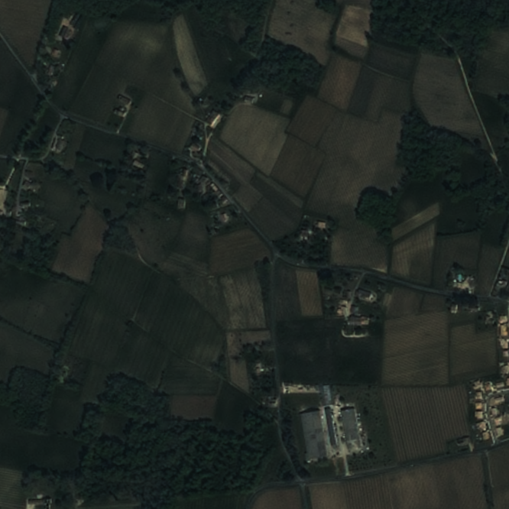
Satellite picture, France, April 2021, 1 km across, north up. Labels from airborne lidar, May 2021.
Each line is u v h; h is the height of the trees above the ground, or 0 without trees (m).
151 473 13
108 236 16
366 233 0
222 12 17
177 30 0
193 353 0
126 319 0
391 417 0
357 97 0
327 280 24
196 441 17
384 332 0
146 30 0
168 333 0
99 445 19
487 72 0
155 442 21
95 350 0
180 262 0
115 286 0
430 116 0
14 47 0
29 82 0
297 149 0
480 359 0
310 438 0
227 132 0
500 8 19
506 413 0
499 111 0
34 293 0
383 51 0
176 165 7
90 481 21
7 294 0
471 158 0
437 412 0
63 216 0
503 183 7
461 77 0
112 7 22
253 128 0
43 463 0
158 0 16
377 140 0
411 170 13
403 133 10
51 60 8
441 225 0
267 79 24
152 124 0
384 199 25
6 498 0
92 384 0
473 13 23
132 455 24
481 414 0
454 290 9
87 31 0
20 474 0
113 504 0
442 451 0
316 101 0
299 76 23
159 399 19
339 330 0
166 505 25
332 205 0
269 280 10
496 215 0
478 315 0
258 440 12
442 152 27
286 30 0
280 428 9
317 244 6
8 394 15
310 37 0
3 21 0
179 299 0
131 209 14
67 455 0
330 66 0
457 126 0
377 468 0
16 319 0
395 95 0
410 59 0
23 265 18
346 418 0
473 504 0
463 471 0
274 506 0
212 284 0
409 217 0
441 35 17
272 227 0
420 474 0
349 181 0
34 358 0
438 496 0
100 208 0
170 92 0
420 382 0
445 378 0
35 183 13
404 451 0
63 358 14
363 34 0
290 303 0
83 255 0
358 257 0
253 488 18
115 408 20
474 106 0
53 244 6
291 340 0
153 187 0
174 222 0
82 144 0
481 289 0
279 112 0
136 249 20
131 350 0
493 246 0
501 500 0
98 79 0
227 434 14
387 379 0
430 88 0
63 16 12
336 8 21
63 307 0
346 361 0
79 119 0
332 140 0
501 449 0
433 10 26
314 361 0
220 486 6
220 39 6
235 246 0
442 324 0
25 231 9
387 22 19
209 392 0
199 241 0
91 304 0
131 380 10
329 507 0
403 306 0
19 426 6
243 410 0
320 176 0
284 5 0
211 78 0
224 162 0
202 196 10
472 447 0
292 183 0
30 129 16
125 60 0
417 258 0
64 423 0
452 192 24
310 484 0
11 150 0
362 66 0
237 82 0
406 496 0
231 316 0
